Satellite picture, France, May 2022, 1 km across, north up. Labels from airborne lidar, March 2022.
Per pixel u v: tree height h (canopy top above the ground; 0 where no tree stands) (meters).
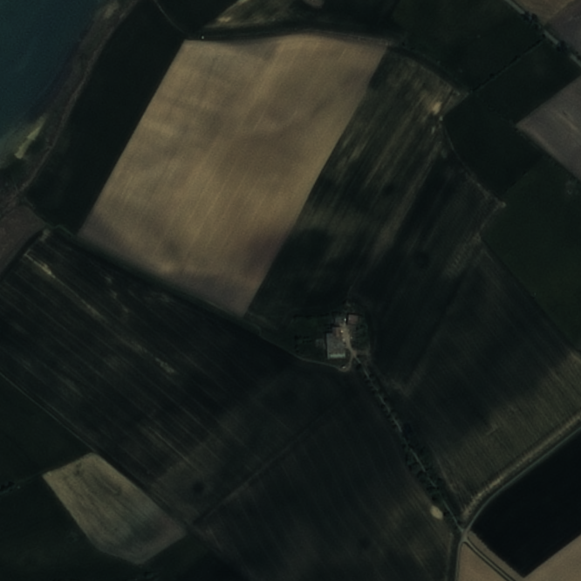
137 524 0
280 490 0
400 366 0
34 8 0
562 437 0
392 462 0
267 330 0
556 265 0
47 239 0
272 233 0
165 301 0
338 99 0
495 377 0
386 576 0
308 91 0
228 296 0
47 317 0
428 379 0
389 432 0
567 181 0
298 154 0
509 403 0
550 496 0
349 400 0
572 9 0
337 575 0
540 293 0
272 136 0
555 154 0
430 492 9
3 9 0
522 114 0
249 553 0
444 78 0
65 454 0
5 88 0
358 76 0
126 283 0
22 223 0
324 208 0
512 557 0
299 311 0
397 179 0
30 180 0
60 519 0
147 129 0
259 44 0
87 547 0
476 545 0
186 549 0
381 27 0
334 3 0
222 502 0
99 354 0
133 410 0
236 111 0
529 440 0
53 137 0
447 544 0
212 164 0
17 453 0
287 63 0
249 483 0
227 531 0
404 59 0
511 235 0
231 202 0
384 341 0
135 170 0
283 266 0
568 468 0
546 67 0
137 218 0
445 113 0
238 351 0
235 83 0
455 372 0
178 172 0
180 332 0
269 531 0
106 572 0
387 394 0
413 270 0
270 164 0
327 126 0
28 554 0
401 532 0
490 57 0
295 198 0
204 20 0
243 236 0
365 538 0
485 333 0
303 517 0
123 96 0
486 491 0
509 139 0
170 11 0
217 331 0
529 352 0
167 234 0
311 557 0
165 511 0
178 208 0
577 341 0
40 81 0
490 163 0
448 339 0
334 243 0
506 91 0
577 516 0
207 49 0
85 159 0
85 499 0
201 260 0
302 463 0
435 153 0
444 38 0
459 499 0
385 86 0
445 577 0
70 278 0
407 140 0
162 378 0
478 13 0
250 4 0
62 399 0
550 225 0
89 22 0
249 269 0
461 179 0
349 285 0
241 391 0
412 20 0
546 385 0
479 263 0
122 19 0
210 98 0
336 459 0
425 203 0
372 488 0
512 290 0
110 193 0
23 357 0
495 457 0
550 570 0
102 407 0
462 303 0
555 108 0
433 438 0
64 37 0
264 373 0
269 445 0
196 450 0
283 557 0
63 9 0
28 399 0
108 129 0
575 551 0
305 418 0
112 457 0
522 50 0
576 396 0
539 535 0
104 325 0
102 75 0
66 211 0
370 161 0
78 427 0
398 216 0
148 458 0
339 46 0
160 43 0
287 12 0
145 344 0
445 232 0
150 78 0
